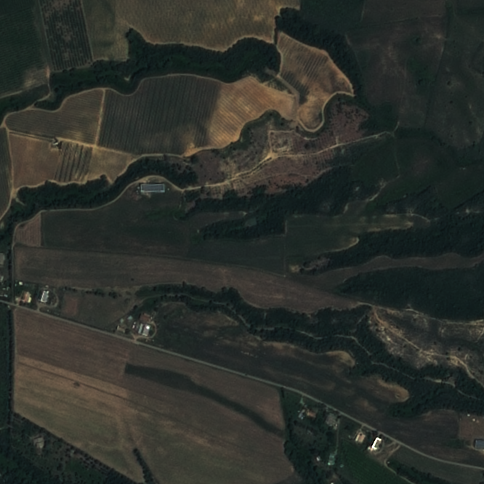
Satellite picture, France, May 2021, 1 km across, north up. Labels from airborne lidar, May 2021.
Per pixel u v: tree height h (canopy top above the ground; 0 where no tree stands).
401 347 0
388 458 0
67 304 0
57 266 0
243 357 0
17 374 0
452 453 0
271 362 0
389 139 0
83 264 0
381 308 0
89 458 9
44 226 0
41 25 0
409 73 0
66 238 0
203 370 0
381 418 0
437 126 0
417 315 0
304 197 7
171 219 0
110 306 0
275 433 0
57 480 7
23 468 11
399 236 7
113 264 0
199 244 0
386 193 0
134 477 0
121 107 0
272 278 0
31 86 0
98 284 0
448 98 0
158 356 0
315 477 8
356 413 0
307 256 0
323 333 6
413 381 7
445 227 9
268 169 0
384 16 0
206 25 0
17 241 0
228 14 0
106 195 7
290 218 0
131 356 0
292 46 0
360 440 0
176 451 0
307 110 0
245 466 0
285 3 0
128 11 0
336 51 6
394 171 0
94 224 0
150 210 0
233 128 0
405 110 0
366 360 8
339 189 6
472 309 6
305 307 0
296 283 0
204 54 9
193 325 0
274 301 0
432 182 0
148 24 0
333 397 0
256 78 0
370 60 0
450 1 0
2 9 0
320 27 6
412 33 0
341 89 0
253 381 0
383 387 0
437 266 0
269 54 14
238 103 0
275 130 0
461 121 0
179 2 0
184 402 0
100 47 0
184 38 0
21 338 0
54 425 0
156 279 0
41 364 0
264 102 0
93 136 0
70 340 0
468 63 0
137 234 0
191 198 7
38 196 14
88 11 0
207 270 0
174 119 0
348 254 10
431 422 0
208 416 0
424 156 0
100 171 0
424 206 6
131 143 0
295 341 7
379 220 0
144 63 6
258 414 0
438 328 0
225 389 0
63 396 0
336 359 0
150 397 0
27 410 0
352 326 6
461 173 0
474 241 8
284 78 0
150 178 0
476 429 0
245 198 6
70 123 0
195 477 0
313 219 0
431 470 0
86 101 0
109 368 0
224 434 0
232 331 0
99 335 0
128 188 0
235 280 0
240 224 6
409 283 8
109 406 0
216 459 0
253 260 0
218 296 7
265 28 0
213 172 0
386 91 0
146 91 0
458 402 6
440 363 0
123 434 0
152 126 0
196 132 0
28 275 0
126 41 0
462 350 8
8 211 0
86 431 0
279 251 0
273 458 0
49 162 0
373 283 7
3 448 7
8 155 0
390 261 0
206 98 0
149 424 0
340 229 0
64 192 10
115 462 0
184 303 13
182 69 0
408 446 0
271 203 7
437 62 0
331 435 18
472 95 0
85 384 0
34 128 0
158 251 0
